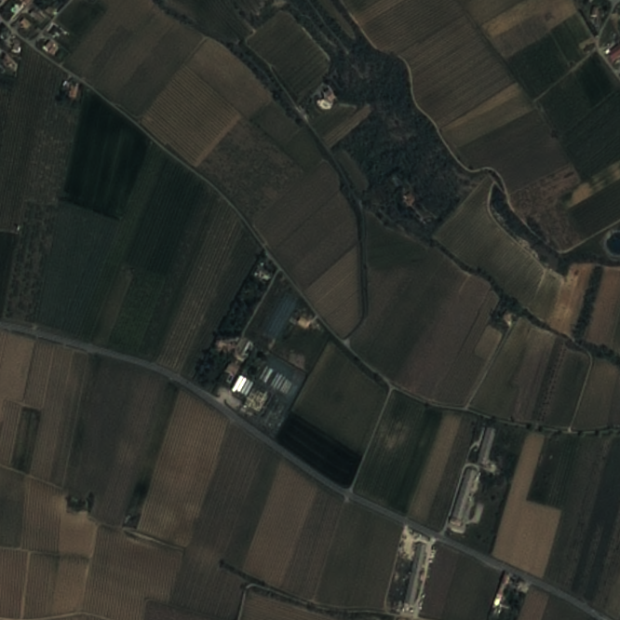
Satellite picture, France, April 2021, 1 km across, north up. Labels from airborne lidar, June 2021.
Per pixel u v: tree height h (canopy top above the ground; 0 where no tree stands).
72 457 0
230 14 0
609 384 0
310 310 0
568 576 0
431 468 0
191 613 0
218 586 0
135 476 0
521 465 0
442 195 16
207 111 0
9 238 0
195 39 0
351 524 0
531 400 0
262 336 0
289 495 0
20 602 0
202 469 0
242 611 0
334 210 0
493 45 0
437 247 10
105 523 0
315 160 0
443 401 0
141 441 0
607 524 0
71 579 0
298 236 0
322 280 0
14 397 0
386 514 0
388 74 10
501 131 0
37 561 0
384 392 0
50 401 0
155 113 0
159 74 0
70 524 0
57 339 0
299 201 0
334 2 10
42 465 0
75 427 0
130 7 0
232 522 0
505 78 0
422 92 0
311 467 0
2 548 0
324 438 0
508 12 0
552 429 0
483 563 0
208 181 0
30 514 0
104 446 0
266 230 0
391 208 10
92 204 0
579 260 9
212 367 17
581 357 0
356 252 0
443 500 0
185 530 0
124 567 0
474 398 0
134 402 0
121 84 0
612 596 0
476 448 0
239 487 0
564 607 0
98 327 0
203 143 0
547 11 0
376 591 0
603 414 0
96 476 0
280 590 0
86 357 0
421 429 0
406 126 11
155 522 0
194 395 0
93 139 0
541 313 0
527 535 0
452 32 0
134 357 0
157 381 0
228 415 0
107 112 0
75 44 0
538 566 0
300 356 0
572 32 0
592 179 0
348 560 0
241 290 6
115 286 0
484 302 0
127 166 0
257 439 0
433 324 0
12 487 0
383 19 0
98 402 0
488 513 0
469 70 0
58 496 0
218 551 0
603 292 0
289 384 0
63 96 10
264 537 0
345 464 0
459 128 0
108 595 0
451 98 0
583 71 0
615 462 0
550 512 0
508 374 0
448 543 0
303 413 0
